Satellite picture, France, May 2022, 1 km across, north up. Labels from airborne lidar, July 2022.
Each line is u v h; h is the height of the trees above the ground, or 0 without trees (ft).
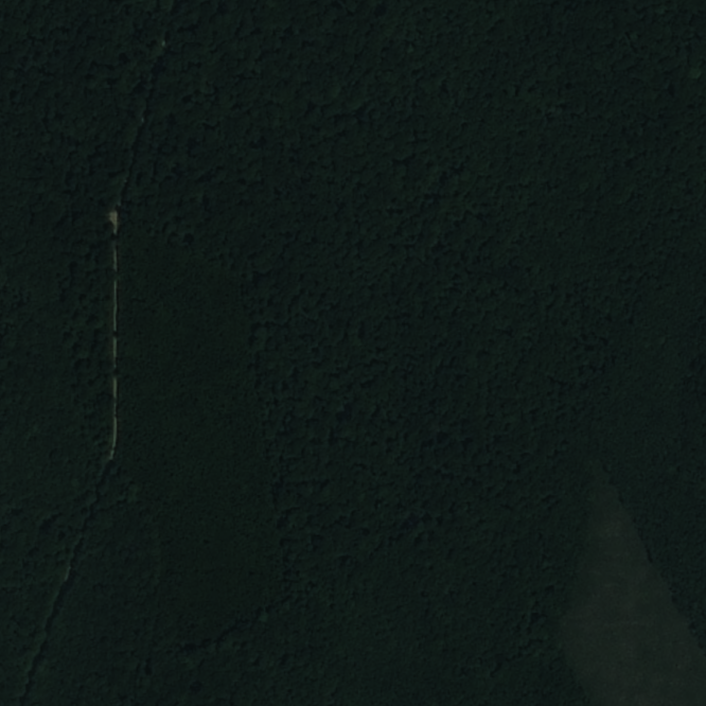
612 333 73
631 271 88
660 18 88
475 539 76
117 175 77
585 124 72
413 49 75
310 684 77
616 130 67
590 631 0
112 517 74
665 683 0
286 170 72
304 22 85
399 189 85
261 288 93
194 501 37
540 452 90
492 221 92
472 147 88
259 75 75
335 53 91
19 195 56
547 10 77
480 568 73
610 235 70
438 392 76
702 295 60
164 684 80
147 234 67
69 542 70
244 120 89
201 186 77
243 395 37
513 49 74
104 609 72
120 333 41
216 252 54
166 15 85
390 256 83
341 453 82
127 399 35
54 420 62
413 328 78
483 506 76
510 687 69
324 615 70
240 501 44
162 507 39
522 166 64
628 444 57
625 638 0
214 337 40
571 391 80
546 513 85
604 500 0
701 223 61
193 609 36
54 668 69
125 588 75
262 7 102
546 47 64
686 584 46
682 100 76
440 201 94
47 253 59
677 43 91
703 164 68
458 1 66
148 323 33
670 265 78
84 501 69
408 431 63
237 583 29
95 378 70
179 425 45
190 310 38
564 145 58
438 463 81
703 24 89
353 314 82
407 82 82
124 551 76
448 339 79
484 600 69
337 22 94
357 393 88
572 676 63
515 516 79
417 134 87
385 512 58
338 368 46
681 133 82
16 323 56
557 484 85
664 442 46
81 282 58
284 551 54
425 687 58
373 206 82
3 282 47
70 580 21
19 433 61
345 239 73
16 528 81
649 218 67
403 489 60
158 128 83
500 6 90
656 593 0
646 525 53
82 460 62
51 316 56
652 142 72
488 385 90
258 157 83
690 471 50
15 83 79
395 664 57
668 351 54
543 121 71
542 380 74
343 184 73
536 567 83
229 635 73
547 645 53
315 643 68
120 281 26
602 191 75
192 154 82
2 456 68
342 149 94
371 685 51
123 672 81
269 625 70
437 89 77
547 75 83
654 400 51
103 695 68
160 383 32
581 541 59
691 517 51
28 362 61
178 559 42
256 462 42
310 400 70
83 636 67
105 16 95
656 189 69
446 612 65
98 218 87
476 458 95
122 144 77
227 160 77
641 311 73
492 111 72
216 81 98
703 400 70
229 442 38
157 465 34
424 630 65
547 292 77
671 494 58
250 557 35
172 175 73
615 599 0
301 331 81
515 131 60
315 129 51
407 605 55
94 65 73
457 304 75
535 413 87
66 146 87
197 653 86
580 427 73
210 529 30
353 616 62
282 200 82
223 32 91
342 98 84
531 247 67
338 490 73
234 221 88
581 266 69
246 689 71
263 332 84
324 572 85
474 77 73
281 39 67
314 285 71
